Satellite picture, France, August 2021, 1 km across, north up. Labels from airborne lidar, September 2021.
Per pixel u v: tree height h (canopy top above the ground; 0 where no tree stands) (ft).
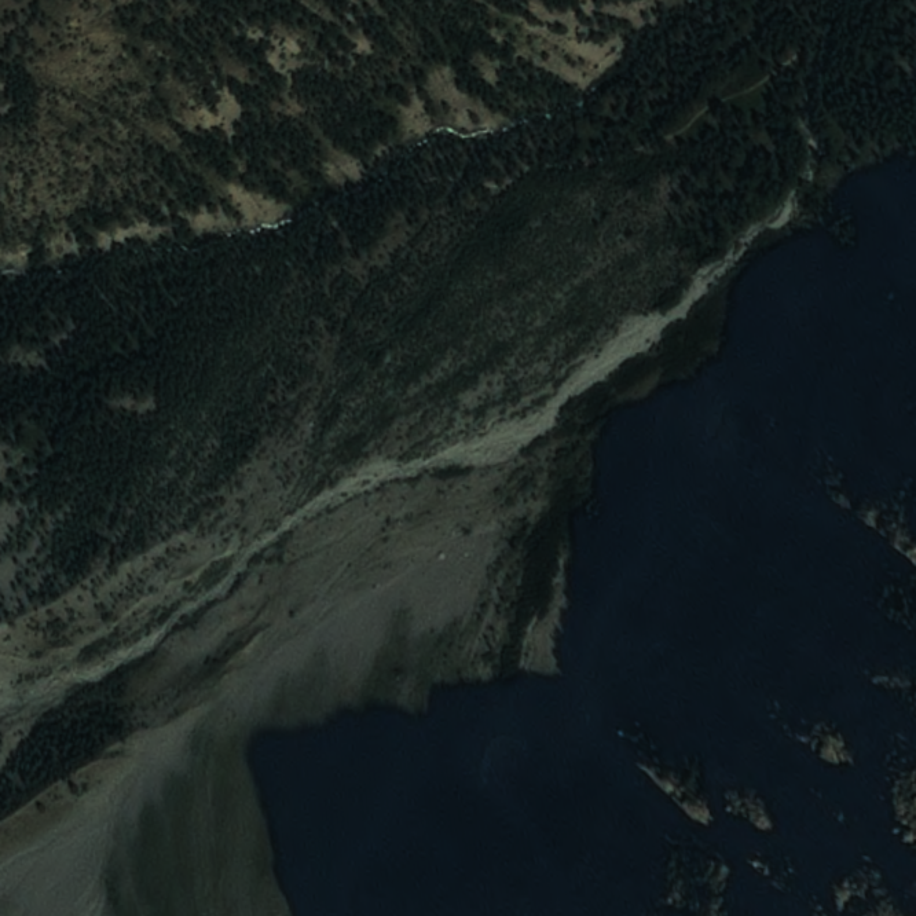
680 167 46
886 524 22
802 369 39
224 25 51
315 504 0
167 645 0
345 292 24
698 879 24
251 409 24
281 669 0
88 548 46
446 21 31
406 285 27
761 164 79
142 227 0
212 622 0
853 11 82
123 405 0
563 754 0
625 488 72
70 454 36
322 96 59
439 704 0
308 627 0
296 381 20
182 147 29
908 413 27
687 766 28
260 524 0
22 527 24
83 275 85
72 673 0
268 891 0
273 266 59
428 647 0
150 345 74
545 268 19
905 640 22
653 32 64
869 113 90
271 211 0
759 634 21
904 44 49
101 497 36
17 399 50
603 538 35
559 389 0
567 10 31
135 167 23
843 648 31
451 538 0
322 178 42
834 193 0
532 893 22
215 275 66
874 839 0
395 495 0
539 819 18
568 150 30
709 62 72
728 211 71
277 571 0
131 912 0
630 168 24
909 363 36
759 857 29
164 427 32
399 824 0
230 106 0
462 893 35
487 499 0
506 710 0
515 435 0
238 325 37
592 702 0
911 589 20
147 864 0
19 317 85
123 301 71
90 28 0
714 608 33
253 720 0
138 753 0
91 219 28
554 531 17
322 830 0
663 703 31
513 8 46
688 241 24
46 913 0
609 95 52
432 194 60
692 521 0
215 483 28
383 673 0
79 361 79
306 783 0
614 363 0
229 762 0
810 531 18
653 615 29
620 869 26
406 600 0
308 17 65
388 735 0
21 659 0
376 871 23
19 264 0
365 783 0
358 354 22
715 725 19
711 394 0
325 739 0
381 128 51
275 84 62
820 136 77
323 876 0
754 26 0
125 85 28
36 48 28
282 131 48
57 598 25
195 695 0
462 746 0
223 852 0
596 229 22
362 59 62
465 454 0
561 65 0
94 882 0
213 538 0
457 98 0
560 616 0
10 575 0
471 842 44
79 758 34
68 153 29
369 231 82
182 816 0
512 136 52
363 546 0
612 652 0
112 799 0
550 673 0
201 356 44
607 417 24
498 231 21
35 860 0
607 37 48
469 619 0
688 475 0
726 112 78
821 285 0
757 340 56
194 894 0
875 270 61
